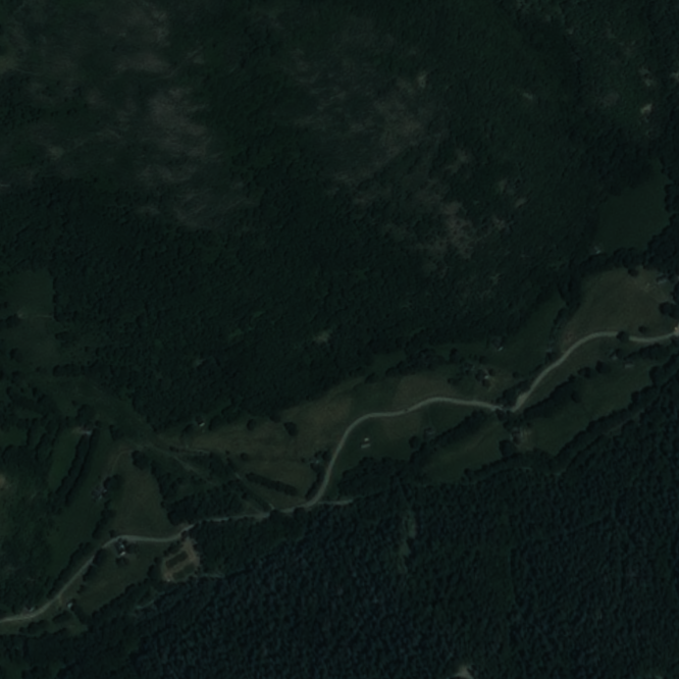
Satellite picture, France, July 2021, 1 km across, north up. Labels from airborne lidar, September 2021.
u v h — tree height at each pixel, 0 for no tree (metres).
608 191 21
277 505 0
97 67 0
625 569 23
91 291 18
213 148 0
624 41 10
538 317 0
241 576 26
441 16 15
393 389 0
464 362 9
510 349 0
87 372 16
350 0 11
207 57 0
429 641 26
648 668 9
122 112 0
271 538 15
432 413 0
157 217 7
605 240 0
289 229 15
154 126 0
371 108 0
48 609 0
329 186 10
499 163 16
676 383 11
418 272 15
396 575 9
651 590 16
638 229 0
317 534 20
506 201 17
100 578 0
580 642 17
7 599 15
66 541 0
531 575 12
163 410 15
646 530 26
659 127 15
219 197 0
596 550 25
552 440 0
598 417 0
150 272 18
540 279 19
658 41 14
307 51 0
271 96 7
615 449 6
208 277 15
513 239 22
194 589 27
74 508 0
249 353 20
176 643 17
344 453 0
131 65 0
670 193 20
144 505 0
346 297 27
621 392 0
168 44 0
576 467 7
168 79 0
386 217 10
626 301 0
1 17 0
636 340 0
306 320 18
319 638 21
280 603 17
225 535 13
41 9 0
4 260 15
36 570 13
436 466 0
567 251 17
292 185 20
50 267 21
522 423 8
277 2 0
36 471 15
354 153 0
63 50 0
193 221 0
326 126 0
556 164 21
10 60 0
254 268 12
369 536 18
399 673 20
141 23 0
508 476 16
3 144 0
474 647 14
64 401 0
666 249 25
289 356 21
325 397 0
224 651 15
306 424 0
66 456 0
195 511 13
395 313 16
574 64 10
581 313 0
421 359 20
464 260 10
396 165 6
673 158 18
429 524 20
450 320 19
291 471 0
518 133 16
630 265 18
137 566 0
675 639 19
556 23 15
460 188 15
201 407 11
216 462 12
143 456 16
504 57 13
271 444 0
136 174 0
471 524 25
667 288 0
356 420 0
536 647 20
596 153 11
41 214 19
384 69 7
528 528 14
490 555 12
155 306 15
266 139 21
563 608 21
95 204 7
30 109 11
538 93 15
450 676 9
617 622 20
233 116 11
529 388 13
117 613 21
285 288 13
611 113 9
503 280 19
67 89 0
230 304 11
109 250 16
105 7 0
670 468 12
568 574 23
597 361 0
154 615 22
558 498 22
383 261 19
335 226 13
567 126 17
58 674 0
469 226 7
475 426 26
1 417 12
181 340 16
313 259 21
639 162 20
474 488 14
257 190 6
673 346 6
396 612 20
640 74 16
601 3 13
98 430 15
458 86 19
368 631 16
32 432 18
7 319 9
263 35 11
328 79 0
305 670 27
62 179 7
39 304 0
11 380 17
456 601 10
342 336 24
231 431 0
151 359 19
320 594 22
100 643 25
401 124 0
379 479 24
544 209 15
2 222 15
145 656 22
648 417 16
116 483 21
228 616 23
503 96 16
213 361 11
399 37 7
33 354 0
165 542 0
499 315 12
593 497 25
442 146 9
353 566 18
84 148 0
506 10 15
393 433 0
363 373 15
